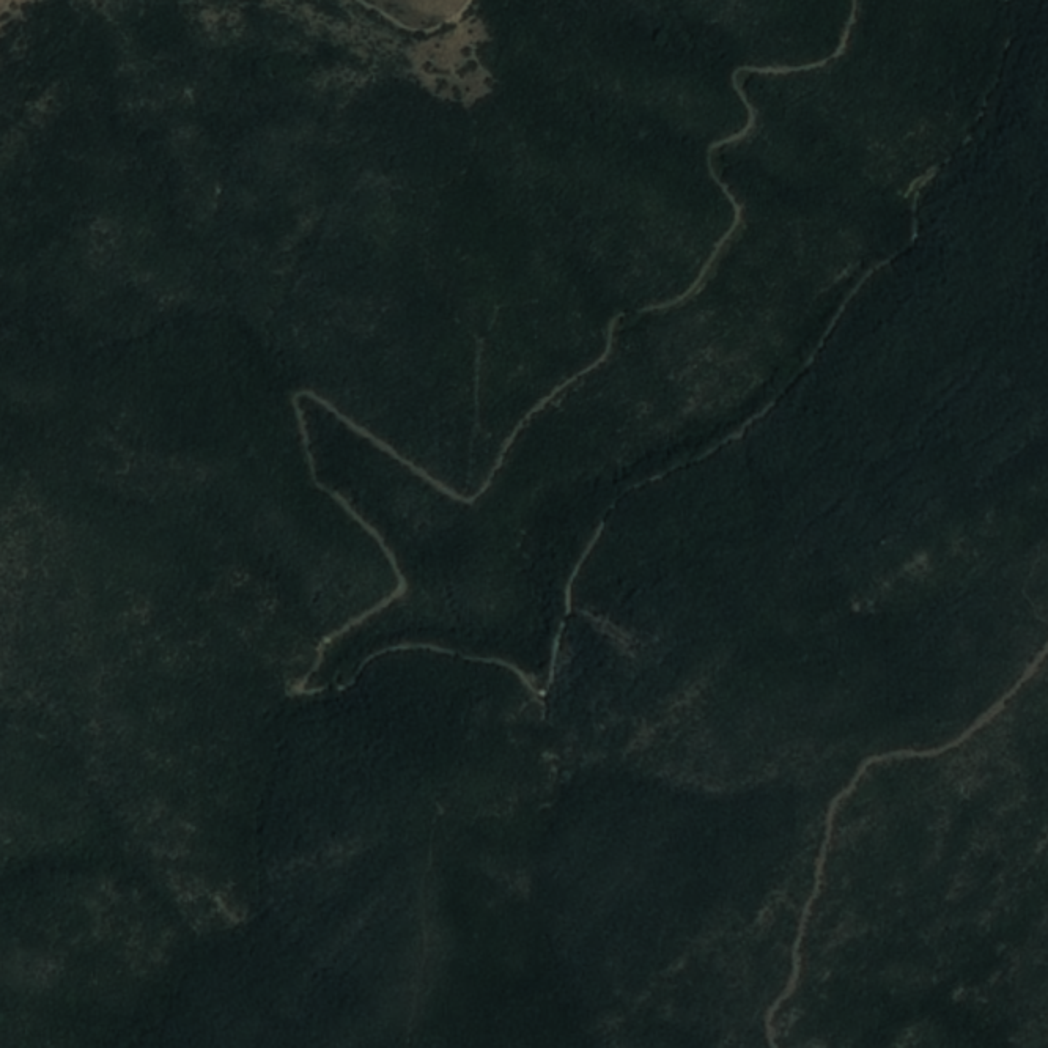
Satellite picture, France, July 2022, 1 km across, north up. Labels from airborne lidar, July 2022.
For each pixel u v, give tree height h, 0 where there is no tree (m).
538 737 7
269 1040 7
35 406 6
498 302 6
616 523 10
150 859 6
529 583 11
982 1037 12
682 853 7
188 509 6
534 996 7
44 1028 7
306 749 7
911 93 16
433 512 5
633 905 6
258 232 8
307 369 7
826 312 9
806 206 15
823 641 6
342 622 9
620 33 12
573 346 9
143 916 8
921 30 7
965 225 7
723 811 6
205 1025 5
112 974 7
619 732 6
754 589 6
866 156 8
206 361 7
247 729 9
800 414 9
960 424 6
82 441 6
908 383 7
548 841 6
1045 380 7
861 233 7
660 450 15
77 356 6
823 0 6
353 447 10
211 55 9
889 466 8
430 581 9
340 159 6
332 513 8
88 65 8
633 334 8
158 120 7
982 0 6
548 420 11
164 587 8
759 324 6
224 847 10
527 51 6
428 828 5
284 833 8
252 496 7
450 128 6
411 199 6
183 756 7
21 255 8
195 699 10
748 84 16
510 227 6
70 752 9
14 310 10
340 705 10
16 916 6
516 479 10
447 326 6
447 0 0
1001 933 8
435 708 8
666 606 6
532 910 6
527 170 7
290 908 7
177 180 7
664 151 8
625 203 5
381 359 7
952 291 7
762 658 7
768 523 7
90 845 6
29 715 7
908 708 5
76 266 9
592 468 7
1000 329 7
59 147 6
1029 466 6
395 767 6
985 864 5
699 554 7
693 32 10
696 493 8
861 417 7
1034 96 8
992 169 10
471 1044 6
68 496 7
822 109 8
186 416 8
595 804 6
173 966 10
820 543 6
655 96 6
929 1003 11
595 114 16
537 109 8
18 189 8
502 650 11
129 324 6
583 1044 6
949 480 6
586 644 5
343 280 6
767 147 7
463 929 6
